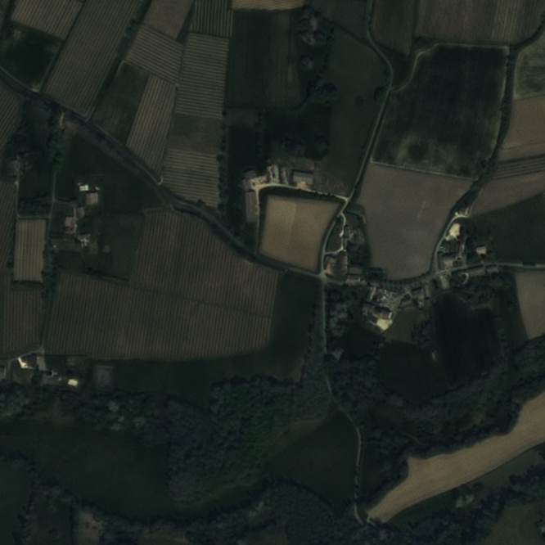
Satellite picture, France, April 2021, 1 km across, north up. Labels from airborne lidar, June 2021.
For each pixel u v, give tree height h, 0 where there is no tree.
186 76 0
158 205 0
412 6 0
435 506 0
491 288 18
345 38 0
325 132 0
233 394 18
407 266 0
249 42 0
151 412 18
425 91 0
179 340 0
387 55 0
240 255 12
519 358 16
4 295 0
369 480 0
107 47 0
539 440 0
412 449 15
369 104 0
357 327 0
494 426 8
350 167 0
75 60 0
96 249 0
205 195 0
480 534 26
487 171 17
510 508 15
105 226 0
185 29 0
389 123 0
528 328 0
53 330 0
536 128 0
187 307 0
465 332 0
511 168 0
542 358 15
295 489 21
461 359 0
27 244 0
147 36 0
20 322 0
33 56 0
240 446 23
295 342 0
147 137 0
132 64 0
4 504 0
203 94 0
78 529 19
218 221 19
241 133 0
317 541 25
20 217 0
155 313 0
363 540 20
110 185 0
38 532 0
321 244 0
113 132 0
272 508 16
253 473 22
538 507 0
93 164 0
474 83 0
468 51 0
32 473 15
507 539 0
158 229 0
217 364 0
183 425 21
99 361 0
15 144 6
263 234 0
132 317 0
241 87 0
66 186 0
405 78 0
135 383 0
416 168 0
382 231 0
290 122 0
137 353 0
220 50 0
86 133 12
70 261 0
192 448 19
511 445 0
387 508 0
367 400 23
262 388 17
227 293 0
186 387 0
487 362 0
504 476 0
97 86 0
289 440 0
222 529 18
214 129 0
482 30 0
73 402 15
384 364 0
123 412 10
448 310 0
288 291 0
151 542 0
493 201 0
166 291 0
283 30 0
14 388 14
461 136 0
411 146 0
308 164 0
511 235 0
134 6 0
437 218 0
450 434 0
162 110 0
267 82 0
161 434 26
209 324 0
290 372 0
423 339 15
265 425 21
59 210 0
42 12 0
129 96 0
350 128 0
